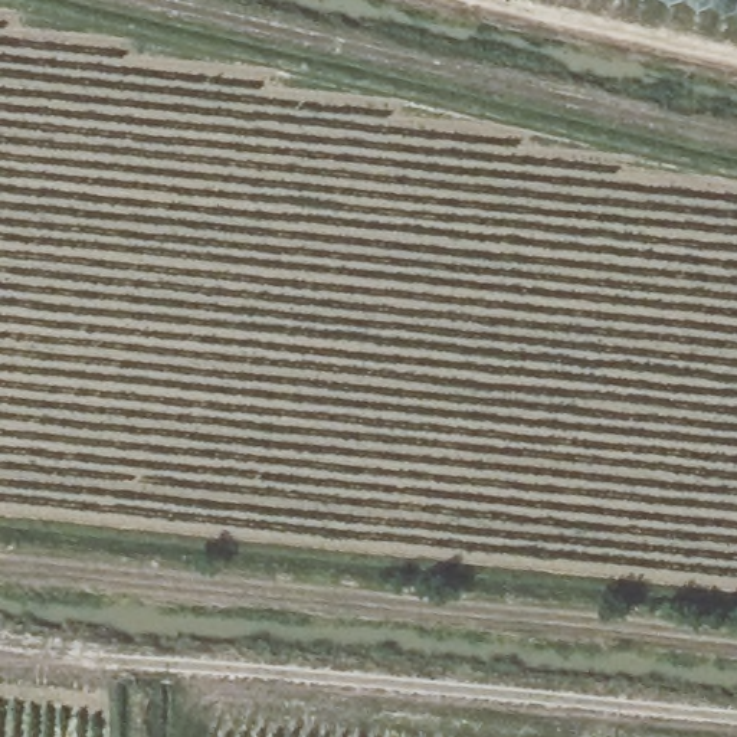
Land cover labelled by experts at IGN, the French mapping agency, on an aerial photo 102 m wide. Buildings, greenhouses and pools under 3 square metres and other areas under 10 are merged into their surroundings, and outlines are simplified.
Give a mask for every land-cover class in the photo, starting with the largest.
<instances>
[{"label":"vineyard","instance_id":"1","mask_svg":"<svg viewBox=\"0 0 737 737\"><path fill-rule=\"evenodd\" d=\"M130 37L35 29L23 26V14L17 9L0 6V515L204 535L210 538L204 544L207 561H222L225 567L233 561L239 541L394 556L380 570V579L389 587L371 590L357 579L299 582L288 573H196L184 567H170L158 559H124L107 553H81L63 559L52 556L43 547L0 544V584L101 593L109 610L147 607L155 613L161 605H204L276 607L311 616L348 622L394 619L417 622L426 628L461 630H481L487 619L556 628L610 625L619 636L737 645V636L728 628H688L656 616V610L694 607L697 613L708 616L737 610V178L679 173L674 164L628 153H605L593 147H541L533 141V130L527 127L481 121L423 101L297 89L288 86V78H302L308 72L305 63L279 60L276 66H253L225 60H184L144 52L124 55ZM472 564L613 579L607 584L610 596L625 602L630 610L645 607L648 613H628L622 619L607 622L593 607H561L556 602H535L518 596L484 599L478 593H466L475 579ZM435 579H440L461 596L443 605L417 596L415 587L420 582ZM132 671L178 674L187 688V697L181 702L184 711L202 720L207 731L216 737H737V708L651 697H605L582 691L521 688L504 682H469L472 671L469 665H458L452 677L429 679L383 671H334L294 662H253L242 659L236 651H227L225 656L135 654L121 651L118 645L14 633L12 628L0 625V737H130V691L121 679Z\"/></svg>","mask_w":737,"mask_h":737},{"label":"herbaceous vegetation","instance_id":"2","mask_svg":"<svg viewBox=\"0 0 737 737\"><path fill-rule=\"evenodd\" d=\"M0 6L17 9L23 14V26L35 29L130 37L124 55L144 52L184 60H225L253 66H276L279 60L305 63L308 72L302 78H288V86L297 89L423 101L481 121L527 127L533 130V141L541 147H593L605 153H628L674 164L679 173L737 178V66L668 55L642 43H619L587 32L553 29L547 23L524 20L515 14L464 6L458 0H0ZM481 23L498 26L492 40L550 55V60L538 63L535 75L478 60H461V37H472ZM0 625L12 628L14 633L118 645L121 651L135 654L225 656L227 651H236L242 659L253 662H294L334 671H383L429 679L452 677L458 665L412 662L389 651H369L357 656L325 654L317 651L314 639H288L285 633L256 628L245 636H204L187 630L127 633L104 622L78 619L75 613L12 610L0 605ZM348 630L386 633L392 639H412L417 645H458L466 651L510 648L515 654H524V659L533 665L553 668H576V662L596 659L645 662L656 671L636 674L633 685L622 679L596 682L561 677H521L507 662H492L472 671L469 682H504L521 688L582 691L605 697H651L737 708V645L619 636L610 625L556 628L487 619L481 630H461L426 628L417 622L394 619L348 622L311 616V625L299 628L297 633ZM130 691V737H216L207 731L202 720L184 711L181 702L187 697V688L178 674L132 671L121 679Z\"/></svg>","mask_w":737,"mask_h":737},{"label":"deciduous trees","instance_id":"3","mask_svg":"<svg viewBox=\"0 0 737 737\"><path fill-rule=\"evenodd\" d=\"M553 9H573L639 26L677 29L682 35H700L717 43L737 46V0H538ZM498 26L481 23L472 37H461V60H478L535 75L538 63L550 60V55L492 40ZM210 538L204 535L0 515V544L43 547L52 556L63 559L81 553H107L124 559H158L170 567H184L196 573H288L299 582L357 579L371 590L389 587L380 579V570L394 556L239 541L233 561L225 567L222 561H207L204 544ZM475 579L466 593H478L484 599L518 596L535 602H556L561 607H593L607 622L622 619L628 613H648L645 607L630 610L625 602L610 596L607 584L613 579L472 564ZM417 596L443 605L461 596L440 579H435L420 582L415 587ZM0 605L12 610L75 613L109 610L101 593L0 584ZM164 622L256 628L285 633H297L299 628L311 625V616L276 607L204 605H161L155 613ZM656 616L688 628H728L737 636V610L708 616L697 613L694 607L656 610Z\"/></svg>","mask_w":737,"mask_h":737},{"label":"water","instance_id":"4","mask_svg":"<svg viewBox=\"0 0 737 737\"><path fill-rule=\"evenodd\" d=\"M78 619L104 622L127 633L187 630L204 636H245L256 628L164 622L155 613L147 607L109 610L75 613ZM288 639H314L317 651L325 654L357 656L369 651H389L412 662L458 665H469L472 671L492 662H507L521 677H561L596 682L622 679L633 685L636 674L656 671L645 662L596 659L576 662V668H553L533 665L524 659V654H515L510 648L466 651L458 645H417L412 639H392L386 633L348 630L297 633H285Z\"/></svg>","mask_w":737,"mask_h":737},{"label":"pervious surface","instance_id":"5","mask_svg":"<svg viewBox=\"0 0 737 737\"><path fill-rule=\"evenodd\" d=\"M464 6L515 14L524 20L547 23L553 29L587 32L619 43H642L668 55L737 66V46L717 43L700 35H682L677 29L639 26L573 9H553L538 0H458Z\"/></svg>","mask_w":737,"mask_h":737}]
</instances>
